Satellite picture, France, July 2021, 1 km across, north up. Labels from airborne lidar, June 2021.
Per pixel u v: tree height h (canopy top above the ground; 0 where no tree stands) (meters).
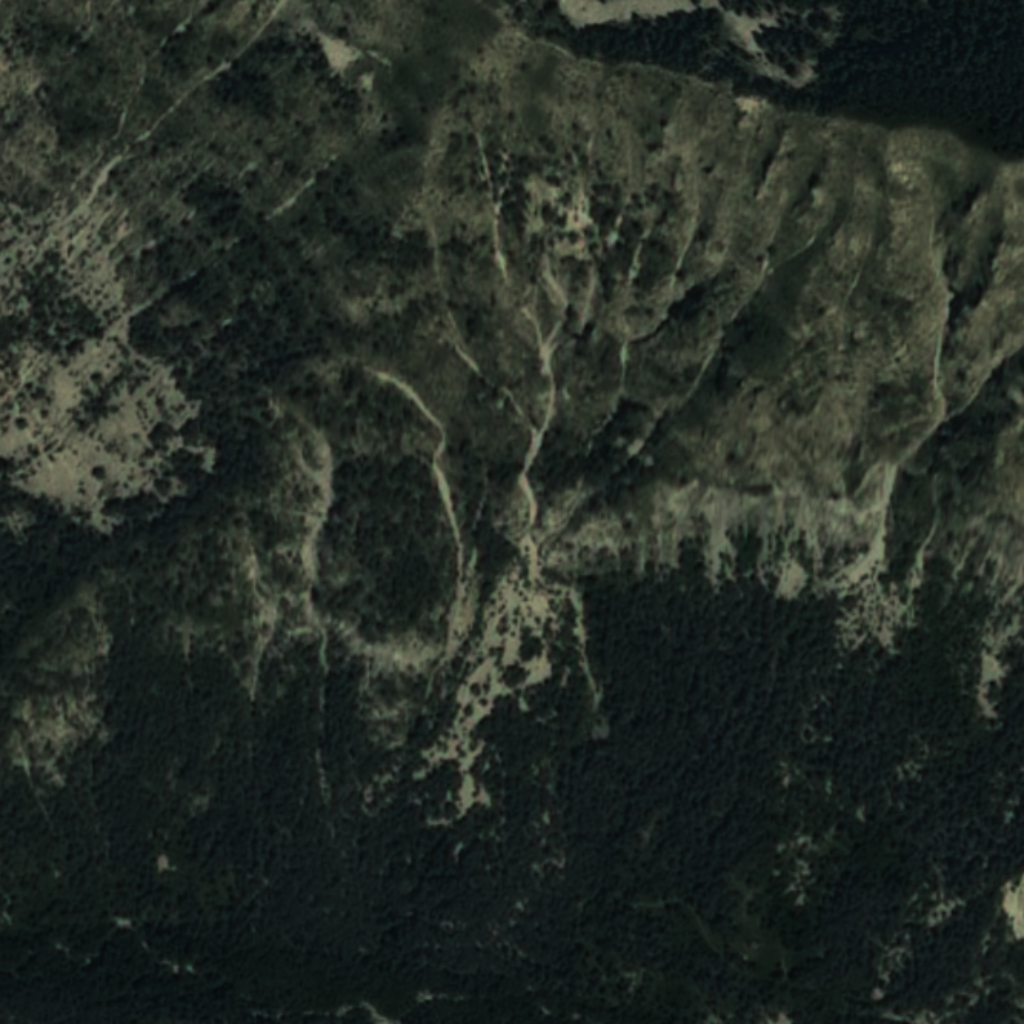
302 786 10
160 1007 17
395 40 0
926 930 11
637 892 10
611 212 14
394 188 0
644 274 6
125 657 13
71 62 0
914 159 0
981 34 8
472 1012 11
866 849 10
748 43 0
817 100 18
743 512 0
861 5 20
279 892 15
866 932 19
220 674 9
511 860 8
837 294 0
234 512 15
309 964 11
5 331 8
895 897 18
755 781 15
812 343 7
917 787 14
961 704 11
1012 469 0
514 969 11
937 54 24
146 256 10
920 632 11
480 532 13
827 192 0
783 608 14
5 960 10
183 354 10
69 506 0
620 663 13
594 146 0
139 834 14
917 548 7
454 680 6
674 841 11
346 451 6
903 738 10
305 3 0
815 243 0
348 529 9
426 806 12
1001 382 12
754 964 10
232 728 7
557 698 9
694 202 0
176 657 8
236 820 11
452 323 0
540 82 0
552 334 0
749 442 0
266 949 10
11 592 10
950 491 0
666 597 8
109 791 8
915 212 0
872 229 0
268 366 8
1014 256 0
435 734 10
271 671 6
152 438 9
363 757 14
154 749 16
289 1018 11
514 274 0
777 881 6
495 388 6
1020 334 0
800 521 0
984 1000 11
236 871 8
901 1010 13
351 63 0
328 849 14
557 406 0
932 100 16
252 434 12
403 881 14
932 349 0
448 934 13
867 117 0
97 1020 17
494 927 6
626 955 11
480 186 7
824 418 0
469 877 17
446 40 0
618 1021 10
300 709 12
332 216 8
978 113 16
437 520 11
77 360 0
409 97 0
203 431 10
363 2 0
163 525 12
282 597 8
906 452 0
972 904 8
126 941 14
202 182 7
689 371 8
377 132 0
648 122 0
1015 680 9
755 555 6
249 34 0
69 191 0
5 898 9
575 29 13
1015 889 6
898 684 7
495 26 0
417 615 15
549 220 9
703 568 12
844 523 0
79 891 6
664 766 11
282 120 0
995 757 8
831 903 10
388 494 13
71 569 7
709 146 0
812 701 9
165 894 12
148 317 8
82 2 0
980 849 6
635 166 0
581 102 0
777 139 0
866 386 0
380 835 7
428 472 11
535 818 7
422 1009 9
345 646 7
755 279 0
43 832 11
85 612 11
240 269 8
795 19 7
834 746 13
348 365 8
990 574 9
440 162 0
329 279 0
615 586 9
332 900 15
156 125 0
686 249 0
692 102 0
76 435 0
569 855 9
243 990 10
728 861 13
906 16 19
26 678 12
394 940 15
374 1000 13
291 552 7
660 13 0
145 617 8
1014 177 0
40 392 7
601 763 15
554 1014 11
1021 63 22
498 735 11
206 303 7
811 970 14
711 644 11
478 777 8
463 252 8
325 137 0
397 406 5
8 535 7
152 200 0
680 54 12
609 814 14
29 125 0
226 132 0
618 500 15
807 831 8
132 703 12
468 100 0
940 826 10
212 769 10
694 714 16
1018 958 10
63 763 8
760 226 0
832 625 8
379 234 6
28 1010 13
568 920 16
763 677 16
